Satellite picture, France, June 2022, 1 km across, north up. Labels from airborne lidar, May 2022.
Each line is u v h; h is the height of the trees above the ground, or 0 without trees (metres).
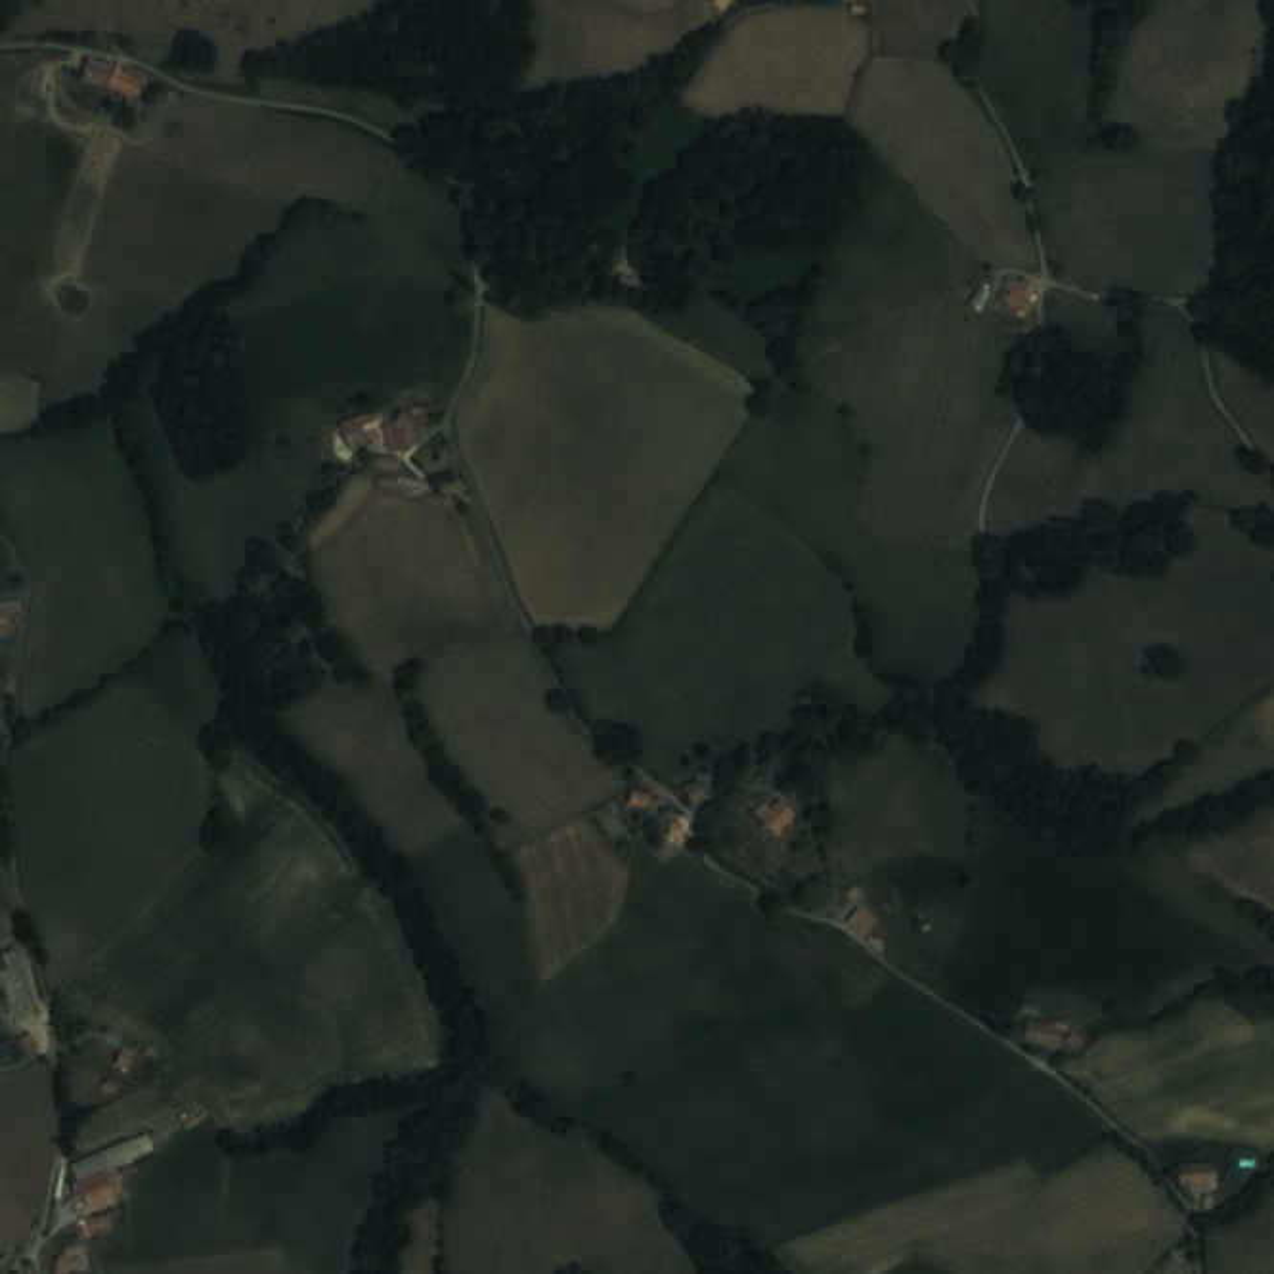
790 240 14
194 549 0
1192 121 0
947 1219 0
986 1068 0
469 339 0
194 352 24
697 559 0
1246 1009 0
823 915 0
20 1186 0
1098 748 0
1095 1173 0
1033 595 17
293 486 0
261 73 18
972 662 10
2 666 0
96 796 0
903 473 0
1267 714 0
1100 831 26
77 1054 6
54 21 0
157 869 0
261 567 24
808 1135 0
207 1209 0
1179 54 0
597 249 16
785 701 0
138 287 0
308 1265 0
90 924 0
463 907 0
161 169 0
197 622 12
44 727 10
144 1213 0
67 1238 0
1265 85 18
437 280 0
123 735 0
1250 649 0
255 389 0
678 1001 0
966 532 0
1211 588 0
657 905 0
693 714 0
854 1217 0
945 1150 0
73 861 0
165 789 0
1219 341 13
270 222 0
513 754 0
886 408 0
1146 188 0
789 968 0
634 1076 6
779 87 0
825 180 18
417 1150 27
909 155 0
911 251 0
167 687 0
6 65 0
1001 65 0
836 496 0
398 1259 15
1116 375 16
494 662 0
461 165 21
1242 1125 0
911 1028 0
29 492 0
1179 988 0
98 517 0
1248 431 0
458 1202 0
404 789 0
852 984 0
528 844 0
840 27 0
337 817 15
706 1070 0
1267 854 0
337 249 0
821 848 8
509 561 0
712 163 22
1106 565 11
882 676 8
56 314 0
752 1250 7
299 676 18
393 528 0
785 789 17
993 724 21
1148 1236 0
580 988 0
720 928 0
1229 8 0
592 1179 0
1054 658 0
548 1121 15
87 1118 13
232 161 0
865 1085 0
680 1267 0
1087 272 0
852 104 0
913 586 0
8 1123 0
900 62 0
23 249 0
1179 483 0
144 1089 0
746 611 0
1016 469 0
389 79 17
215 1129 0
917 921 7
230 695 13
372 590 0
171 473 0
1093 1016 0
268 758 24
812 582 0
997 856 0
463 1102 28
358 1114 19
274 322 0
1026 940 0
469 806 20
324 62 18
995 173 0
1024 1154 0
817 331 0
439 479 8
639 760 14
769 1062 0
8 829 13
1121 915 0
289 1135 13
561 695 17
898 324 0
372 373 0
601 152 14
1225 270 23
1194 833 14
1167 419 0
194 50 23
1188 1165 0
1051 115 0
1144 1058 0
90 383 0
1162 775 17
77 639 0
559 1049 0
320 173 0
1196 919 0
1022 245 0
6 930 0
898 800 0
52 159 0
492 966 0
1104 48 16
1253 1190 15
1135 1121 0
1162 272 0
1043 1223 0
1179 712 0
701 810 7
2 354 0
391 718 0
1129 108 0
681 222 15
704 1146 0
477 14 19
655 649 0
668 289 17
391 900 10
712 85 0
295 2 0
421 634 0
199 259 0
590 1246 0
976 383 0
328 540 0
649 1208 0
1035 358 21
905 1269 0
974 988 0
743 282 0
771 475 0
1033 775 25
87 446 0
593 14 0
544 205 15
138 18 0
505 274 16
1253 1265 0
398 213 0
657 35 0
